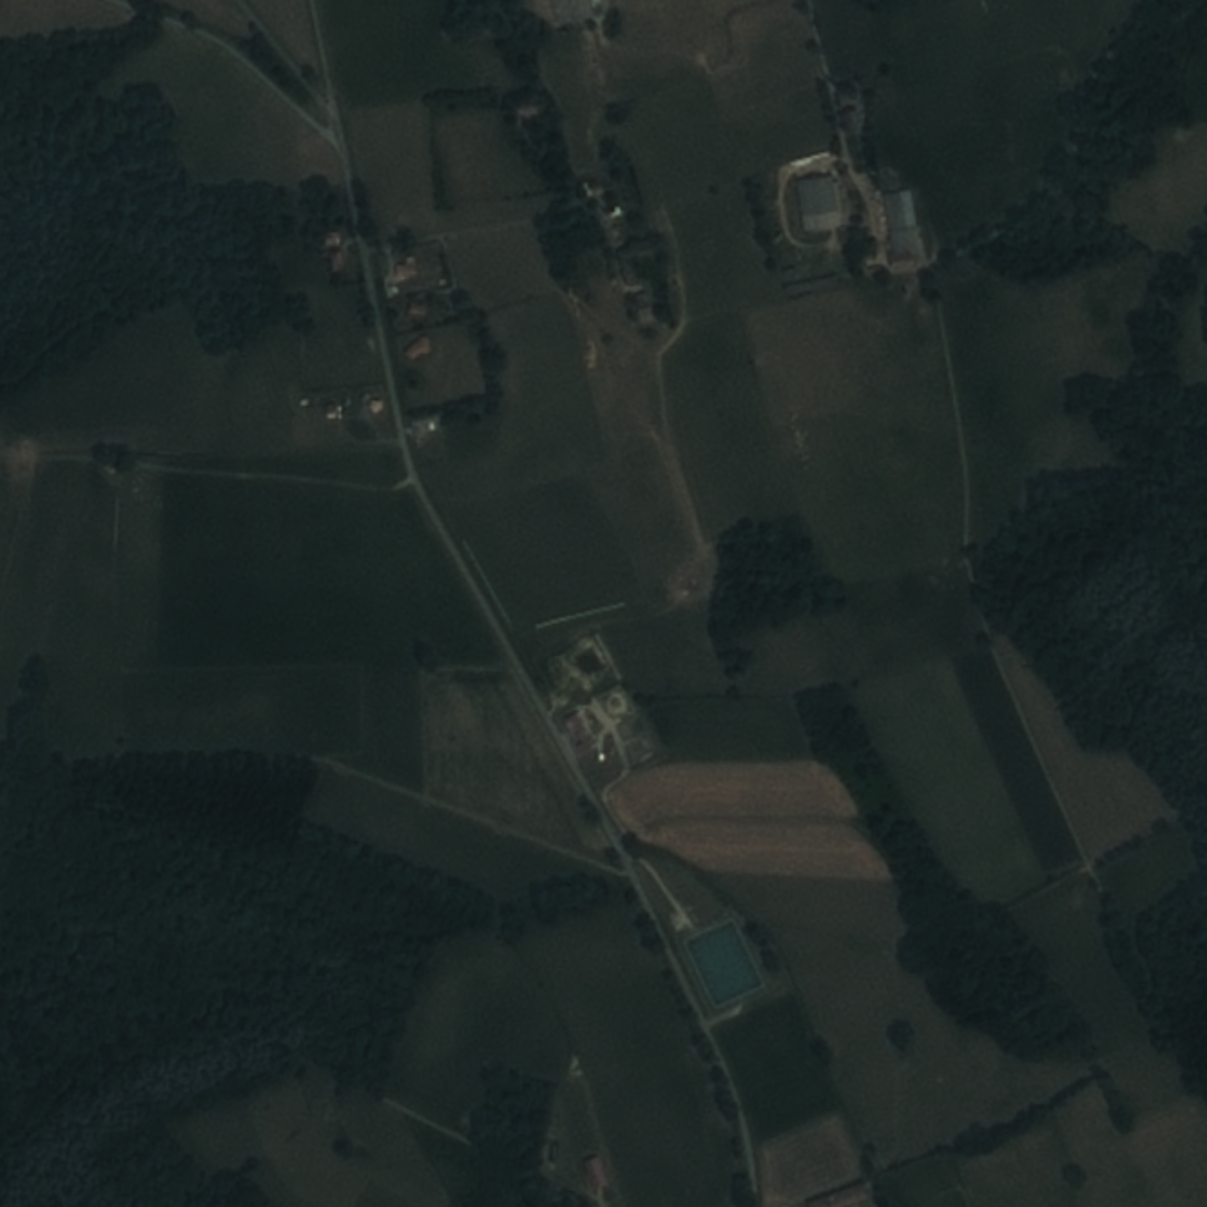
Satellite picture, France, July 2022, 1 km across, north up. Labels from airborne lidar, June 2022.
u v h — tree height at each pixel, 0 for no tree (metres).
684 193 0
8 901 23
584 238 20
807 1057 0
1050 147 0
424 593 0
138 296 21
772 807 0
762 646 0
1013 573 14
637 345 0
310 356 0
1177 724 18
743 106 0
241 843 16
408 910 25
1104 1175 0
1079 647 10
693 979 0
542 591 0
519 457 0
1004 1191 0
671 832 0
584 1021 0
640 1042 0
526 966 0
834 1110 0
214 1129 0
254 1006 23
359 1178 0
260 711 0
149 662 0
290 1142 0
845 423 0
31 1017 25
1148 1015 18
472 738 0
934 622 0
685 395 0
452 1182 0
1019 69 0
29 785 21
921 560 0
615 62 0
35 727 20
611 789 0
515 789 0
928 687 0
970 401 0
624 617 0
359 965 24
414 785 0
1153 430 29
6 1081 21
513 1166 24
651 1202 0
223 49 0
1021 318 0
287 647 0
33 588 0
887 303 0
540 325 0
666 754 0
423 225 0
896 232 0
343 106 0
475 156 0
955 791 0
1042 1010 27
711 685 0
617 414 0
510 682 0
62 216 29
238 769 17
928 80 0
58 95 27
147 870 14
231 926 18
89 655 0
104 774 10
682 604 0
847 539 0
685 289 0
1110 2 0
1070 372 0
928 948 18
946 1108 0
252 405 0
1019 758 0
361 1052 16
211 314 31
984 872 0
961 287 0
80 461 0
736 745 0
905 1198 0
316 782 11
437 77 0
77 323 20
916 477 0
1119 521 19
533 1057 0
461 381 0
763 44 0
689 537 0
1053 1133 0
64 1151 22
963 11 0
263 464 0
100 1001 22
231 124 0
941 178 0
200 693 0
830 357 0
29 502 0
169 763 15
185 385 0
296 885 18
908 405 0
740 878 0
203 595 0
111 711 0
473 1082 0
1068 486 27
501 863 0
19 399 17
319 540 0
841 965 0
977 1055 0
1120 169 27
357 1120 0
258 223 26
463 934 17
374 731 0
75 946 17
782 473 0
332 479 0
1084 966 0
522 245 0
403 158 0
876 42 0
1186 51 12
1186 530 31
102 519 0
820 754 14
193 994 24
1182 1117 0
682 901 0
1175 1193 0
